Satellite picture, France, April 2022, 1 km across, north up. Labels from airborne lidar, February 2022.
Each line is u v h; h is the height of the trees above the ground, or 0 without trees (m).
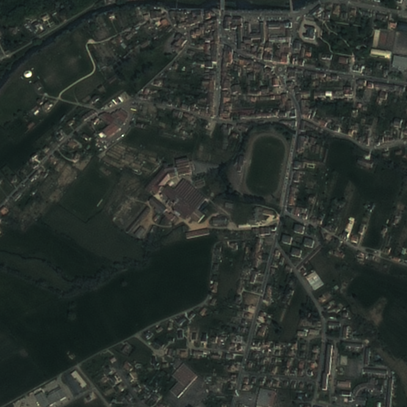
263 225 0
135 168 0
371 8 0
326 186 0
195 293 0
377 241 0
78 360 0
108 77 0
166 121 0
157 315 0
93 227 0
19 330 0
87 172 0
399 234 0
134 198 0
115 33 0
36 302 0
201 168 0
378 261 0
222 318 0
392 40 0
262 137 0
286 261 0
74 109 0
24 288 0
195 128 0
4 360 0
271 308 0
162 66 0
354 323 0
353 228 0
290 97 0
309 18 0
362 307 0
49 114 0
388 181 0
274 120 0
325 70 0
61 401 0
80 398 0
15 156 0
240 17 0
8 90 0
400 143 0
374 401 8
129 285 0
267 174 0
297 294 0
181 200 0
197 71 0
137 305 0
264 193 0
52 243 0
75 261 0
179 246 0
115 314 0
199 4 0
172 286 0
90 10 0
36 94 0
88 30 13
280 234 0
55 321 0
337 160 0
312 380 0
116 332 0
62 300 0
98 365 0
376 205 0
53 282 0
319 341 0
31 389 0
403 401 0
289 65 0
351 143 0
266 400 0
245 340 6
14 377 0
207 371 0
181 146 0
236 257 0
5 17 13
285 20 0
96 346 0
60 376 0
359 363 0
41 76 0
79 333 0
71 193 0
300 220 0
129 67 25
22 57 0
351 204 0
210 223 0
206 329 0
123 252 0
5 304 0
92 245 0
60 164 0
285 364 8
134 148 0
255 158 0
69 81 0
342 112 18
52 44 0
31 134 0
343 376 0
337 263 0
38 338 0
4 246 0
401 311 0
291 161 0
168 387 6
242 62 0
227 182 23
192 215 0
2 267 12
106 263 0
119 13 17
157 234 15
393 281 0
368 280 0
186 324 0
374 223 0
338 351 0
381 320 0
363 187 0
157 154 0
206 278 0
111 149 0
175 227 13
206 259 0
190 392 0
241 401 0
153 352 0
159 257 0
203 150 0
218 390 0
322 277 0
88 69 0
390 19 0
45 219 0
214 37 0
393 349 0
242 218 0
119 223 0
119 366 0
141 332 0
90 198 0
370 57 13
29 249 0
